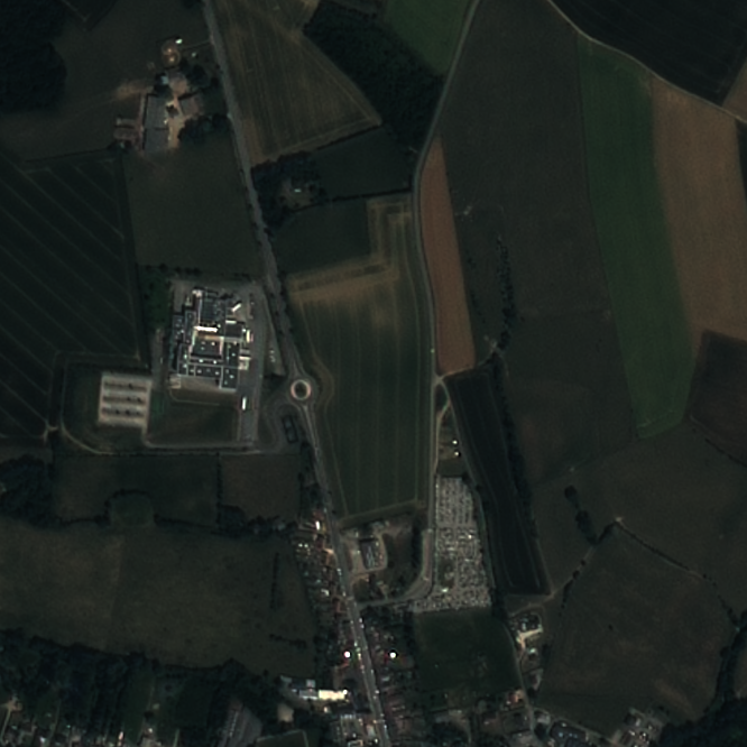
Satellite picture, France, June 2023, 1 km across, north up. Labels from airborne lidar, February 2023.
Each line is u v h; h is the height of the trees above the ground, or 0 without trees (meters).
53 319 0
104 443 0
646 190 0
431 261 0
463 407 0
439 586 0
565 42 0
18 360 0
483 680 0
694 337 0
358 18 8
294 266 0
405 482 0
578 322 0
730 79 0
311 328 0
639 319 0
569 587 7
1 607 0
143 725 0
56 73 24
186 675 10
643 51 0
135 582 0
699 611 0
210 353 0
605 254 0
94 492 0
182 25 0
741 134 0
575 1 0
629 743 0
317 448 0
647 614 0
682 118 0
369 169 0
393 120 10
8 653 13
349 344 0
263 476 0
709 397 0
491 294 0
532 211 0
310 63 0
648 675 0
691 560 0
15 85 23
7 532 0
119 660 8
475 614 0
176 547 0
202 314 0
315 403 0
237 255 0
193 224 0
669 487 0
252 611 0
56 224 0
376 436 0
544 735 17
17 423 0
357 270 0
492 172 0
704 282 0
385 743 0
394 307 0
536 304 0
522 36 0
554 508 0
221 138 0
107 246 0
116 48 0
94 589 0
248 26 0
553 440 0
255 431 0
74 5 0
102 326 0
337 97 0
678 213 0
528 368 0
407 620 11
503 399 8
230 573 0
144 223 0
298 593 0
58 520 14
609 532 9
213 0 0
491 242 0
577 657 0
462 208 0
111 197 0
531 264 0
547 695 0
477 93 0
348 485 0
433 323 0
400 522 0
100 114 0
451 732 16
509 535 0
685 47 0
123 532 0
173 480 0
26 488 23
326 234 0
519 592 0
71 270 0
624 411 0
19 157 0
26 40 21
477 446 0
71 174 0
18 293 0
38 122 0
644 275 0
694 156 0
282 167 18
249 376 0
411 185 7
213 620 0
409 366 0
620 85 0
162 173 0
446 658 0
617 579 0
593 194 0
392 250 0
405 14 0
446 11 0
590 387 0
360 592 0
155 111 0
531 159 0
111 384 0
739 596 0
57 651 15
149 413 0
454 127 0
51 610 0
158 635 0
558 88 0
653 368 0
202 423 0
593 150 0
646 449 0
